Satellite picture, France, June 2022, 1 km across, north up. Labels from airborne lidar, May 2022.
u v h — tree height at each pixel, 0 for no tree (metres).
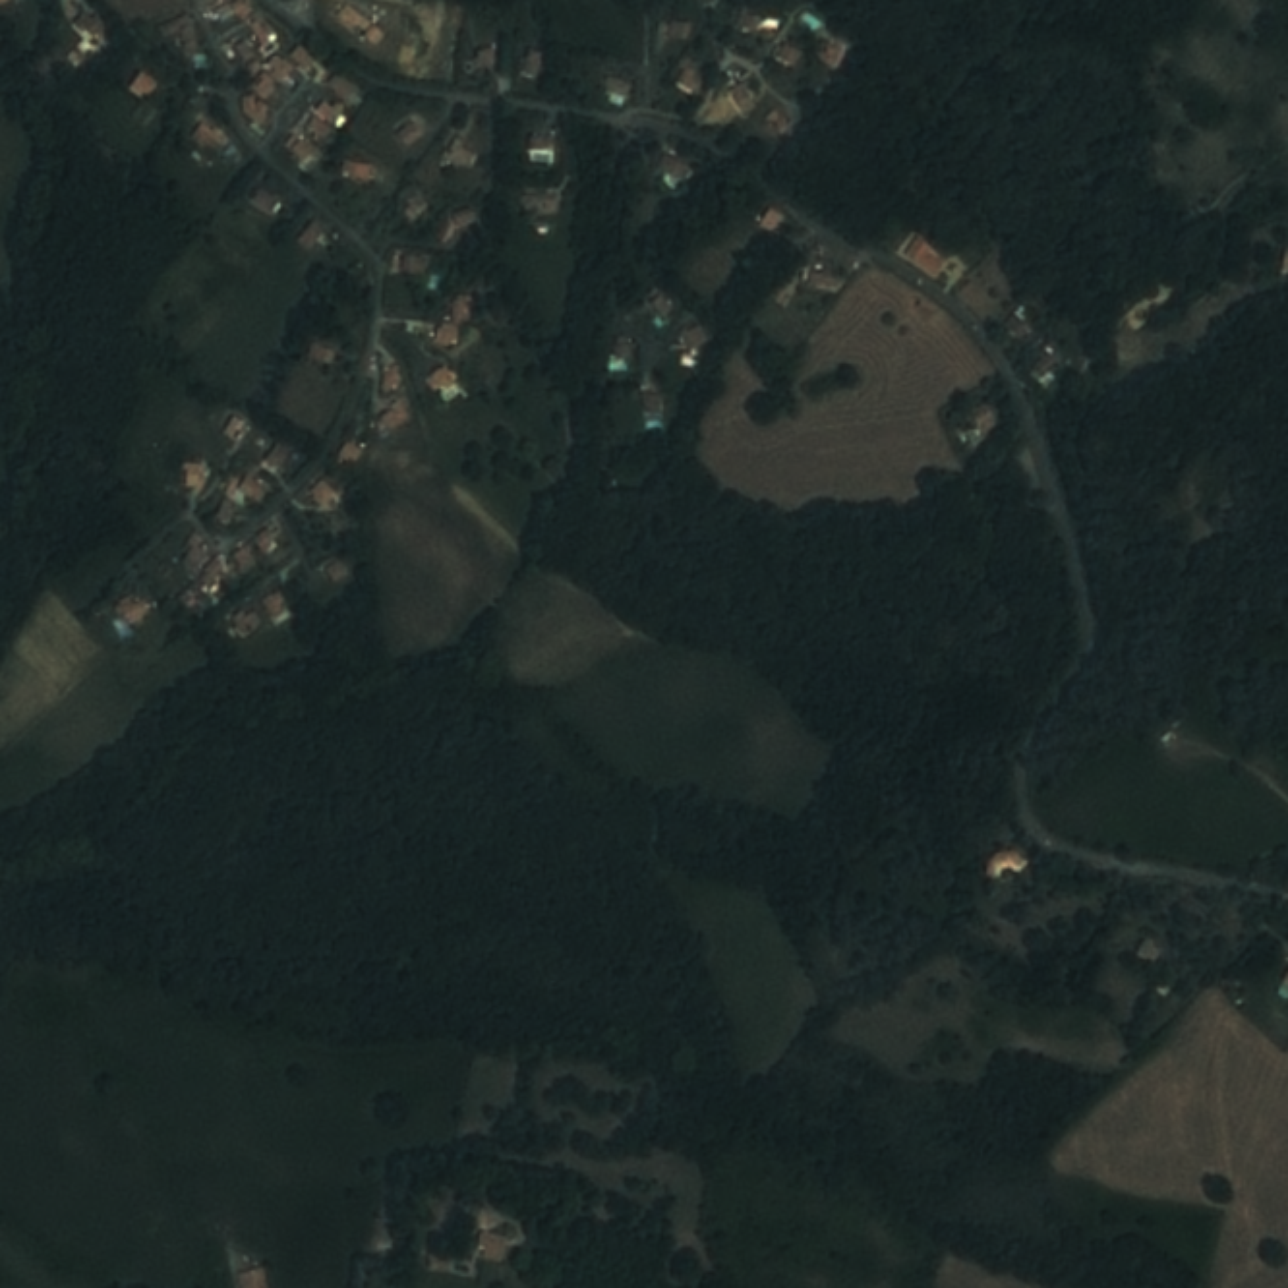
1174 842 0
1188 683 16
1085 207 26
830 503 17
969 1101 9
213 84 11
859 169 19
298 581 8
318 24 6
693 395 18
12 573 24
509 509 0
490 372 0
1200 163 0
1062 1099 12
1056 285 22
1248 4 0
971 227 21
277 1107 0
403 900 18
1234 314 12
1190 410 21
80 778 7
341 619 25
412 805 16
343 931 21
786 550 20
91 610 9
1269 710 19
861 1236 0
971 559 14
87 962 20
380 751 19
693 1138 15
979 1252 18
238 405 7
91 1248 0
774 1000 0
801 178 17
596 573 17
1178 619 22
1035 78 26
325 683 29
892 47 20
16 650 0
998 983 16
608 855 19
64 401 25
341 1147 0
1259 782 0
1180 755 0
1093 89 26
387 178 0
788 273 27
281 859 17
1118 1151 0
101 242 19
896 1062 0
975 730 15
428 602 0
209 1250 0
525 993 8
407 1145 0
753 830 22
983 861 10
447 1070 0
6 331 26
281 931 22
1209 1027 0
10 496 26
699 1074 17
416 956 21
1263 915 10
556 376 21
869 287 0
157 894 26
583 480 21
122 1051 0
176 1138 0
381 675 28
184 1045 0
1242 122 0
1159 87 7
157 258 15
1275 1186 0
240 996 23
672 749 0
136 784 20
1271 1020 0
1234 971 11
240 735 25
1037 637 20
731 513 21
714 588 22
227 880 24
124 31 17
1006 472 19
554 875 19
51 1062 0
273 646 0
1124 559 16
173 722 25
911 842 8
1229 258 11
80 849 23
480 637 18
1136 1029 12
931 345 0
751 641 22
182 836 22
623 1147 17
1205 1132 0
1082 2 24
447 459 0
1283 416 17
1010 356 7
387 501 0
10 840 19
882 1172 11
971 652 24
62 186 24
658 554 13
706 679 0
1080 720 12
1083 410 17
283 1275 0
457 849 21
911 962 9
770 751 0
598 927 20
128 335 21
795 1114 18
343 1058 0
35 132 25
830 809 14
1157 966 8
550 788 20
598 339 20
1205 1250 0
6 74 16
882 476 0
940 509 26
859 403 0
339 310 14
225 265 0
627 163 23
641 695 0
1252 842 0
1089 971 17
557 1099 14
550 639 0
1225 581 21
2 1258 0
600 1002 18
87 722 0
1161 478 14
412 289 6
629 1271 24
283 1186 0
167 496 0
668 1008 16
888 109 25
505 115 19
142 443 0
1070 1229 10
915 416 0
